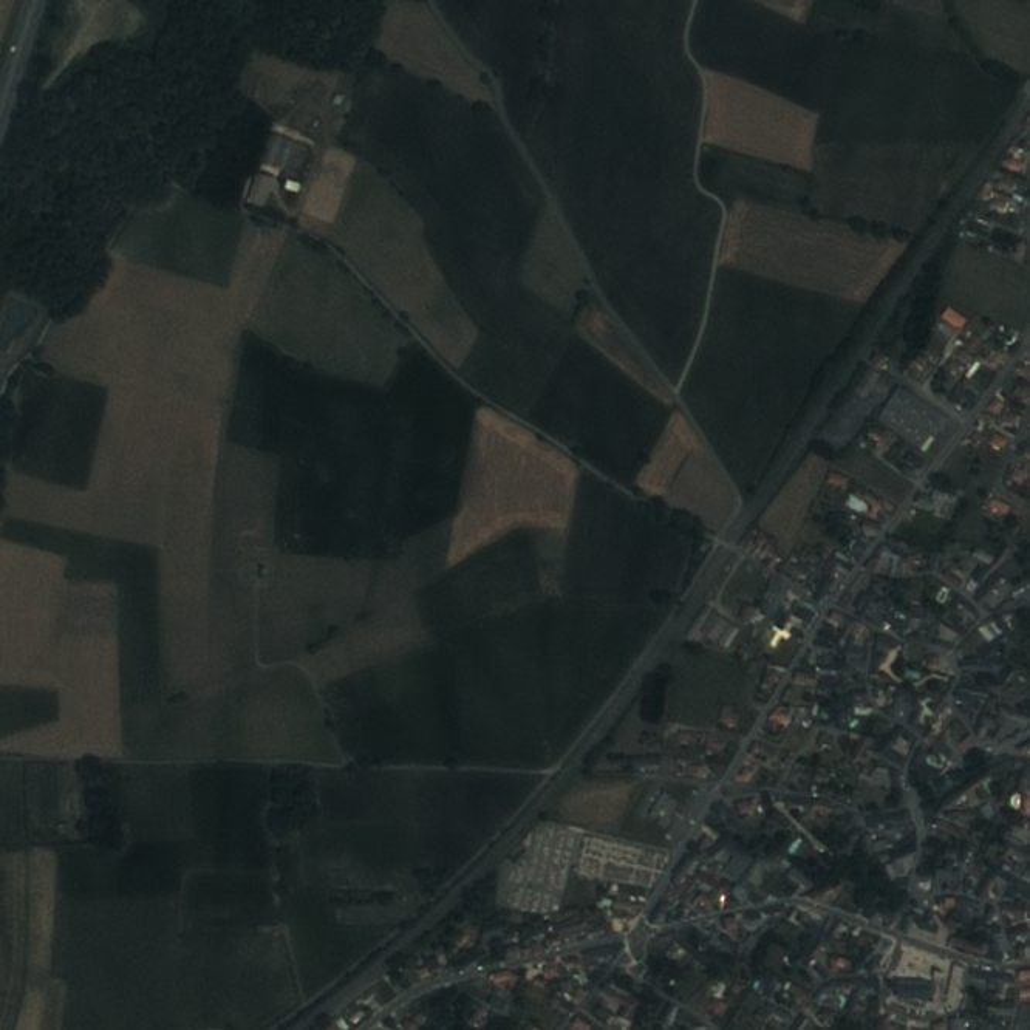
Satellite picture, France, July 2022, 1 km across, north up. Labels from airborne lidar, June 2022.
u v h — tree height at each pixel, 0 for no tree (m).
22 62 0
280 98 0
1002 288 0
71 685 0
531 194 0
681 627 0
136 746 0
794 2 0
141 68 22
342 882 0
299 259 0
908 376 0
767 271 0
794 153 0
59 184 8
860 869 13
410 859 0
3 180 20
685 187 0
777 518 0
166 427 0
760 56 0
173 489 0
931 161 0
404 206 0
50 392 0
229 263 0
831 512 6
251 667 0
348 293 0
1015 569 0
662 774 0
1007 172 6
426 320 0
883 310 0
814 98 0
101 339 0
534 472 0
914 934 0
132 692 0
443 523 0
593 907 7
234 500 0
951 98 0
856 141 0
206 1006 0
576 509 0
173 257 0
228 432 0
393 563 0
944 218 0
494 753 0
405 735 0
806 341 0
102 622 0
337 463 0
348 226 0
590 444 0
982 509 0
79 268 20
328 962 0
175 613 0
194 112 24
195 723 0
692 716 0
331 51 22
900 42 0
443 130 0
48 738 0
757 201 0
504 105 0
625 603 0
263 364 0
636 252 0
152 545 0
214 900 0
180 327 0
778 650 0
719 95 0
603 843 0
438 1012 12
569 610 0
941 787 8
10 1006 0
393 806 0
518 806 0
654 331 0
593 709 0
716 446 0
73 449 0
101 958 0
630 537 0
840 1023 7
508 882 0
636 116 0
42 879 0
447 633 0
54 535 0
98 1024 0
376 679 0
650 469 0
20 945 0
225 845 0
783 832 5
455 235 0
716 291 0
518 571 0
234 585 0
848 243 0
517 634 0
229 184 23
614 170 0
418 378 0
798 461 0
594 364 0
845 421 0
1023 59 0
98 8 0
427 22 0
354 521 0
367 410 0
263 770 0
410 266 0
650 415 0
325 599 0
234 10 19
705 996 0
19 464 0
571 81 0
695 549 8
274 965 0
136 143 23
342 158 0
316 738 0
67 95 20
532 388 0
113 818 18
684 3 0
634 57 0
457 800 0
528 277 0
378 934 0
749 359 0
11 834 0
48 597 0
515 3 0
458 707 0
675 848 0
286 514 0
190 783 0
